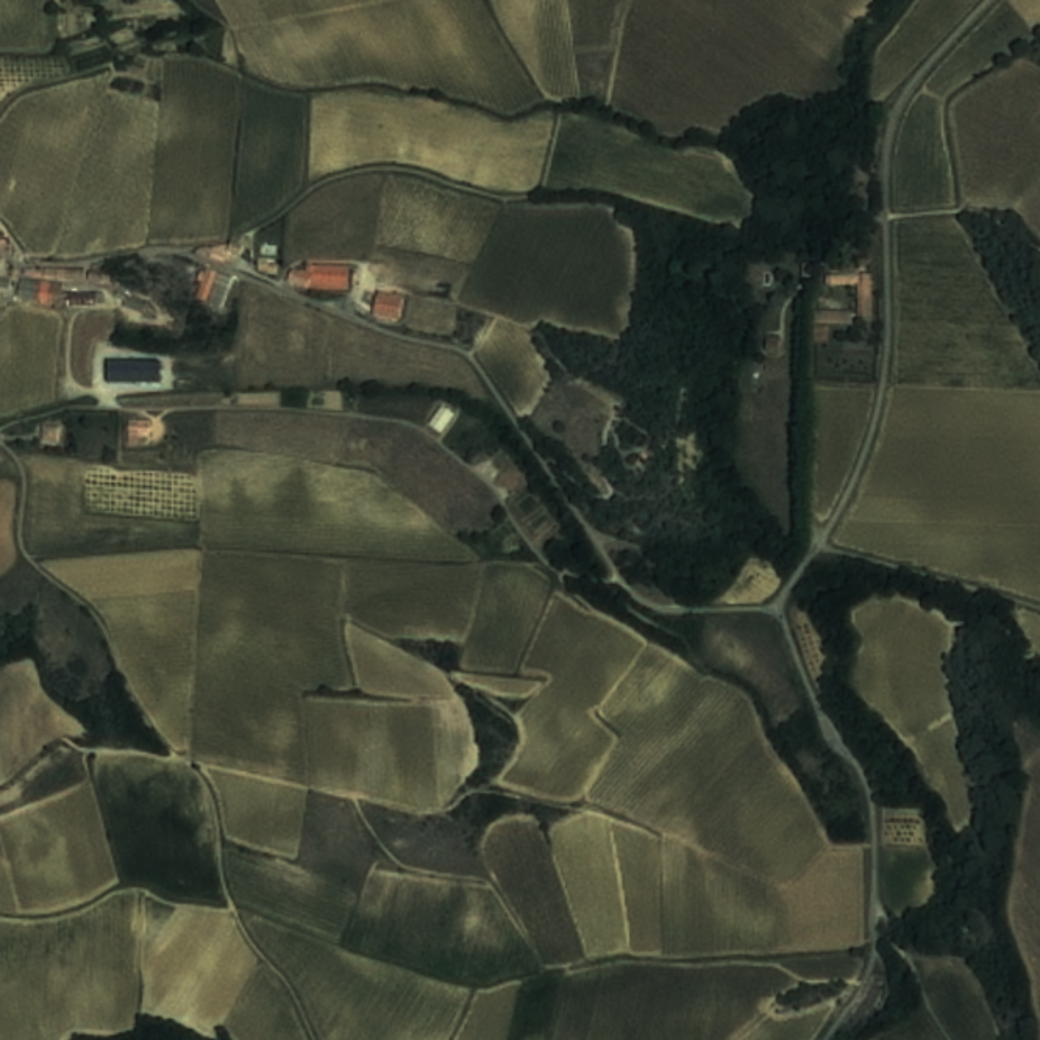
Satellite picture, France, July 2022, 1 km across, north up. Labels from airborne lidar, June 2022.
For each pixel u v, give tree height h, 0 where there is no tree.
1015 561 0
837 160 22
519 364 0
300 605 0
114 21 0
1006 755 14
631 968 0
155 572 0
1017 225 15
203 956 0
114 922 0
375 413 0
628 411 7
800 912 0
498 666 0
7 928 0
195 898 0
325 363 0
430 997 0
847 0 0
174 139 0
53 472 0
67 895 0
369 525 0
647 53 0
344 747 0
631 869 0
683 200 0
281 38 0
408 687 0
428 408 0
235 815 0
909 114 0
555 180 0
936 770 0
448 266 0
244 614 0
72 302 0
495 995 0
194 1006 0
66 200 0
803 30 0
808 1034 0
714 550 13
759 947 0
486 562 0
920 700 0
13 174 0
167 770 0
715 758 0
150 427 0
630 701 0
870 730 14
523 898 0
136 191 0
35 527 0
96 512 0
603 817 0
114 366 0
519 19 0
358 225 0
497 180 0
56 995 0
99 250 0
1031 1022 13
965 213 10
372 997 0
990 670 14
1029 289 6
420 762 0
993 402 0
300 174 0
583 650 0
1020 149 0
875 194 12
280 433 0
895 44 0
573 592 11
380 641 0
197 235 0
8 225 0
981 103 0
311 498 0
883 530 0
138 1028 8
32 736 0
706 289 15
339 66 0
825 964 0
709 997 0
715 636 0
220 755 0
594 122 0
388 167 0
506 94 0
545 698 0
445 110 0
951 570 0
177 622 0
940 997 0
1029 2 0
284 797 0
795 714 6
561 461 12
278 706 0
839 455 0
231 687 0
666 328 22
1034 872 0
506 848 0
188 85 0
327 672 0
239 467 0
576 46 0
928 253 0
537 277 0
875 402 0
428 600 0
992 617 18
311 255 0
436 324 0
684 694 0
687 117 0
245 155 0
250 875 0
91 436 0
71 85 0
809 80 0
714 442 19
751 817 0
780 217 21
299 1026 0
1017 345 0
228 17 0
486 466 0
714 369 19
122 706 10
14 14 0
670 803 0
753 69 0
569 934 0
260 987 0
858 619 0
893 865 0
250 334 0
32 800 0
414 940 0
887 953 16
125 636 0
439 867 0
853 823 9
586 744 0
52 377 0
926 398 0
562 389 0
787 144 10
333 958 0
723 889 0
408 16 0
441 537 0
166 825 0
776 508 0
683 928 0
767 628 0
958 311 0
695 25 0
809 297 22
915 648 0
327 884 0
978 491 0
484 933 0
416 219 0
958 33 0
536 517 0
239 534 0
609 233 0
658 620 8
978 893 12
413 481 0
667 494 6
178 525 0
